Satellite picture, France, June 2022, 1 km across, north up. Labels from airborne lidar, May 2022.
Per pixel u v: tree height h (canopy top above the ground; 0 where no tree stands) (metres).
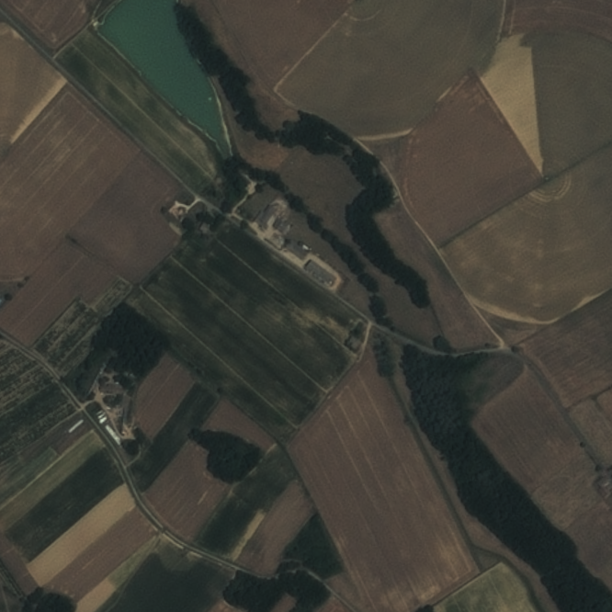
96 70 0
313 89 0
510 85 0
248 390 0
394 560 0
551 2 0
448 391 20
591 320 0
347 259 23
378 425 0
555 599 12
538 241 0
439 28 0
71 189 0
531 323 0
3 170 0
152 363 16
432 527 0
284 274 0
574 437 0
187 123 0
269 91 0
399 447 0
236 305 0
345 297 0
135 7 0
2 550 0
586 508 0
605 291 0
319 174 0
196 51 16
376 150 0
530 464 0
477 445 12
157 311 0
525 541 20
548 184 0
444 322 0
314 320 0
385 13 0
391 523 0
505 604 0
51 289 0
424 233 0
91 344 8
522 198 0
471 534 0
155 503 0
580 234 0
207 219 10
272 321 0
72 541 0
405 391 0
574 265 0
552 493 0
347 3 0
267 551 0
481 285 0
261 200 0
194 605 0
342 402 0
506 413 0
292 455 0
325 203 0
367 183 13
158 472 0
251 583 10
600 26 0
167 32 0
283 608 0
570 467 0
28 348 0
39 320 0
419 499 0
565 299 0
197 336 0
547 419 0
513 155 0
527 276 0
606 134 0
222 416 0
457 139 0
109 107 0
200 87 0
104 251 0
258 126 13
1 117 0
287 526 0
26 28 0
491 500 16
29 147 0
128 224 0
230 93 20
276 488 0
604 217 0
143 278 0
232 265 0
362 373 0
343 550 0
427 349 0
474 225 0
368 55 0
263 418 0
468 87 0
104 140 0
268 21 0
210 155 0
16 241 0
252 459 21
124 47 0
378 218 0
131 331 18
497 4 0
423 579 0
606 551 0
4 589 5
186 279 0
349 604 0
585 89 0
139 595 0
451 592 0
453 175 0
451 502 0
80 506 0
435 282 0
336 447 0
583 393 0
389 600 0
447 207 0
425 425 21
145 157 0
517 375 0
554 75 0
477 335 0
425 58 0
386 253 18
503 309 0
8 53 0
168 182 0
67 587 0
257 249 0
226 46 0
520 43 0
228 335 0
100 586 0
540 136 0
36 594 12
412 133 0
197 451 0
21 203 0
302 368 0
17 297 0
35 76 0
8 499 0
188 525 0
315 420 0
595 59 0
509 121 0
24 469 0
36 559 0
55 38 0
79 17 0
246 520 0
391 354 28
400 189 0
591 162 0
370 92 0
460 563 0
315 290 0
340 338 0
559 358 0
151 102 0
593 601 19
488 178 0
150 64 0
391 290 0
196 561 0
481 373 0
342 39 0
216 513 0
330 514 0
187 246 0
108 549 0
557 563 16
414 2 0
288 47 0
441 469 0
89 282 0
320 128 16
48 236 0
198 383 0
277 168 0
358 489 0
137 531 0
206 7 0
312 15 0
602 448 0
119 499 0
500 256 0
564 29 0
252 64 0
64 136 0
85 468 0
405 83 0
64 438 0
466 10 0
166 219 0
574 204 0
